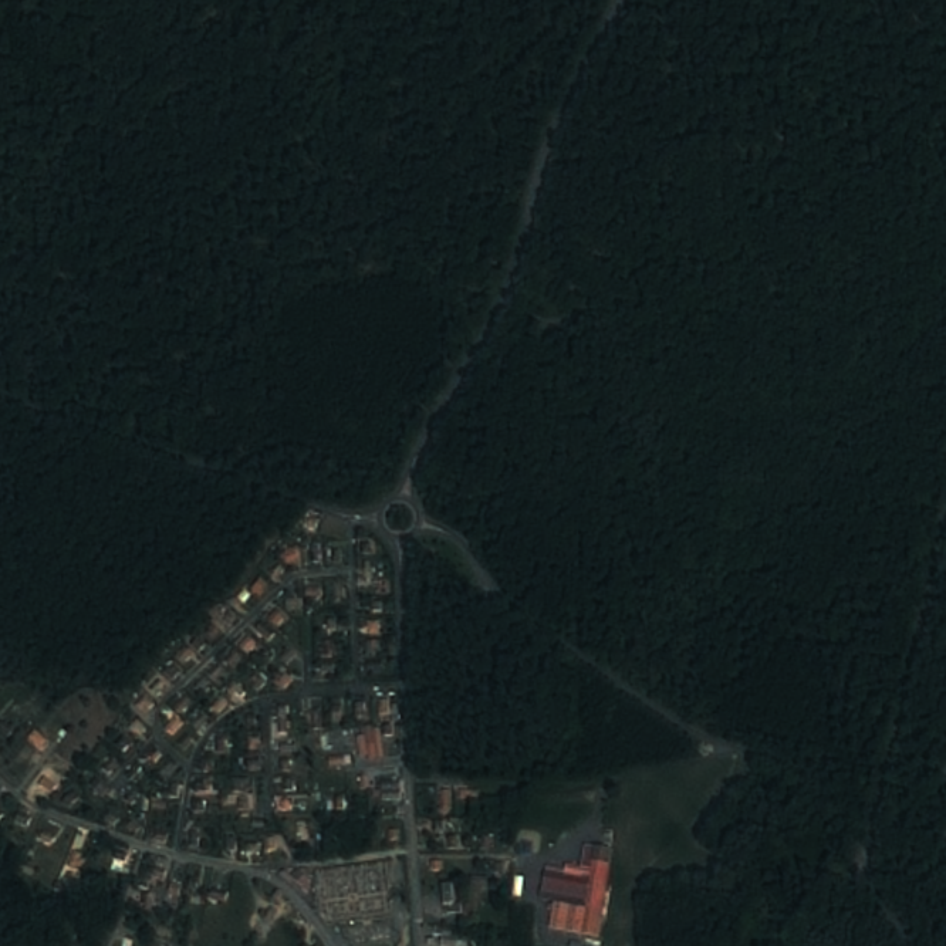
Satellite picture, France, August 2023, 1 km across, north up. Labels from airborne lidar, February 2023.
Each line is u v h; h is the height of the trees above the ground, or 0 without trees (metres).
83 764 18
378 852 0
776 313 22
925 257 24
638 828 0
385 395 9
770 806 21
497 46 24
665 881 19
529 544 24
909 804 25
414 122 21
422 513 0
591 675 10
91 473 22
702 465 23
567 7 11
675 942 11
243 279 18
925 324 18
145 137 20
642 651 23
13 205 20
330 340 7
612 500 10
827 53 22
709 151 27
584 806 0
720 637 29
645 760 11
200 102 21
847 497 27
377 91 24
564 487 25
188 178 19
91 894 25
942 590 24
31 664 20
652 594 19
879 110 23
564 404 24
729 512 26
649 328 19
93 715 0
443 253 19
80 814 8
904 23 24
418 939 0
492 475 26
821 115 16
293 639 0
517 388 24
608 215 22
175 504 24
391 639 8
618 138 24
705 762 0
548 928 0
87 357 26
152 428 20
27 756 0
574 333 12
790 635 17
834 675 13
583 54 22
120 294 22
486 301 14
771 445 24
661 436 19
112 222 23
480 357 20
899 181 24
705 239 25
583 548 6
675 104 25
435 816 9
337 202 21
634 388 23
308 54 19
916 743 22
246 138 25
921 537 28
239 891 0
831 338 23
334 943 0
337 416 7
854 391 21
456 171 19
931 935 23
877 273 27
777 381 23
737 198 23
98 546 21
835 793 21
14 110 24
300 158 26
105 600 21
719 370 24
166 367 18
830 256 29
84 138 22
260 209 21
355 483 21
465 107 17
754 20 16
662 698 20
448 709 32
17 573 27
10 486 24
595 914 0
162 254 17
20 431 21
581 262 22
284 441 6
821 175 20
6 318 19
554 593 25
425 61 23
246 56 19
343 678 10
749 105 26
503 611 23
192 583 19
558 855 0
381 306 10
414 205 20
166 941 0
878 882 27
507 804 17
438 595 30
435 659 31
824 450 19
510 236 20
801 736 9
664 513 24
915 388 24
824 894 27
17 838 0
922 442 24
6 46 24
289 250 23
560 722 35
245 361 10
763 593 26
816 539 28
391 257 18
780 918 14
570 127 19
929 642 23
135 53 19
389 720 0
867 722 26
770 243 26
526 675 30
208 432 8
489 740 30
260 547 22
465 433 22
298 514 12
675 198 23
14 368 22
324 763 0
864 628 13
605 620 12
